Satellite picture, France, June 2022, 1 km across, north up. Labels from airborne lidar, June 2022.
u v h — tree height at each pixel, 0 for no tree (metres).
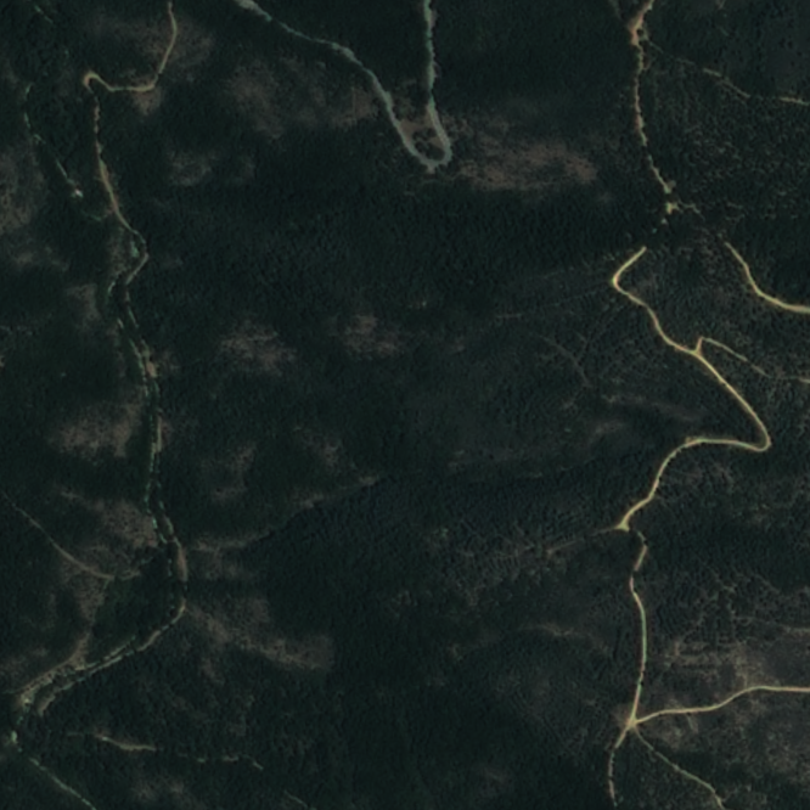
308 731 8
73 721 11
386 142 13
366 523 7
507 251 10
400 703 7
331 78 8
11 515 6
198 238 8
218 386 7
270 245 6
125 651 6
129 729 7
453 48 13
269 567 8
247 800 9
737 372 6
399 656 15
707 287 5
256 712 10
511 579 9
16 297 13
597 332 11
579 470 10
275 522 7
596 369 6
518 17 10
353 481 8
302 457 10
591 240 8
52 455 7
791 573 7
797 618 9
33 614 6
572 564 8
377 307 11
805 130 14
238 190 12
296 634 8
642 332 9
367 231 8
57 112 8
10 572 11
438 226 9
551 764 12
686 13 8
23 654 6
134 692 10
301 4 17
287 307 11
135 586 10
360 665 14
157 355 6
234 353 8
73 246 14
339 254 15
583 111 7
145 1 8
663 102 7
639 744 6
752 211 13
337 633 11
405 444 14
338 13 14
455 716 11
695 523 9
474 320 13
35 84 12
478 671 6
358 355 6
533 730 11
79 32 6
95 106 11
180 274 8
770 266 8
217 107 8
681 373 7
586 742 8
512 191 8
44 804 9
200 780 8
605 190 6
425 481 5
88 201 9
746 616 9
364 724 14
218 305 14
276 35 16
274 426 15
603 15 11
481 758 11
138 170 13
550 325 6
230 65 9
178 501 14
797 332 14
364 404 13
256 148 6
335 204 14
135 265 7
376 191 13
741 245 11
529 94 7
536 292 7
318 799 17
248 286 6
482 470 8
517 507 18
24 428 10
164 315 6
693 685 6
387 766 14
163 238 15
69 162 15
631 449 6
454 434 8
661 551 10
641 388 7
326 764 15
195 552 6
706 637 9
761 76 16
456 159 8
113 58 8
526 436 7
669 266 9
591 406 10
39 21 18
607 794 9
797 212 14
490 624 10
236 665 7
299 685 7
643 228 12
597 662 7
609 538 8
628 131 10
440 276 7
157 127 8
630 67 12
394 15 15
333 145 9
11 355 11
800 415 8
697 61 11
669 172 12
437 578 6
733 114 10
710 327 11
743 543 11
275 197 16
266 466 11
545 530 11
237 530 9
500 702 9
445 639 10
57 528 8
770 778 7
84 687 8
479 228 10
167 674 9
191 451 7
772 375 9
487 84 13
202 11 13
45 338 12
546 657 13
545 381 9
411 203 6
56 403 13
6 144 8
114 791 11
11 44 10
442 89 14
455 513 14
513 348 7
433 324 13
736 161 12
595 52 13
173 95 10
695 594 11
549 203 5
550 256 11
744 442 10
